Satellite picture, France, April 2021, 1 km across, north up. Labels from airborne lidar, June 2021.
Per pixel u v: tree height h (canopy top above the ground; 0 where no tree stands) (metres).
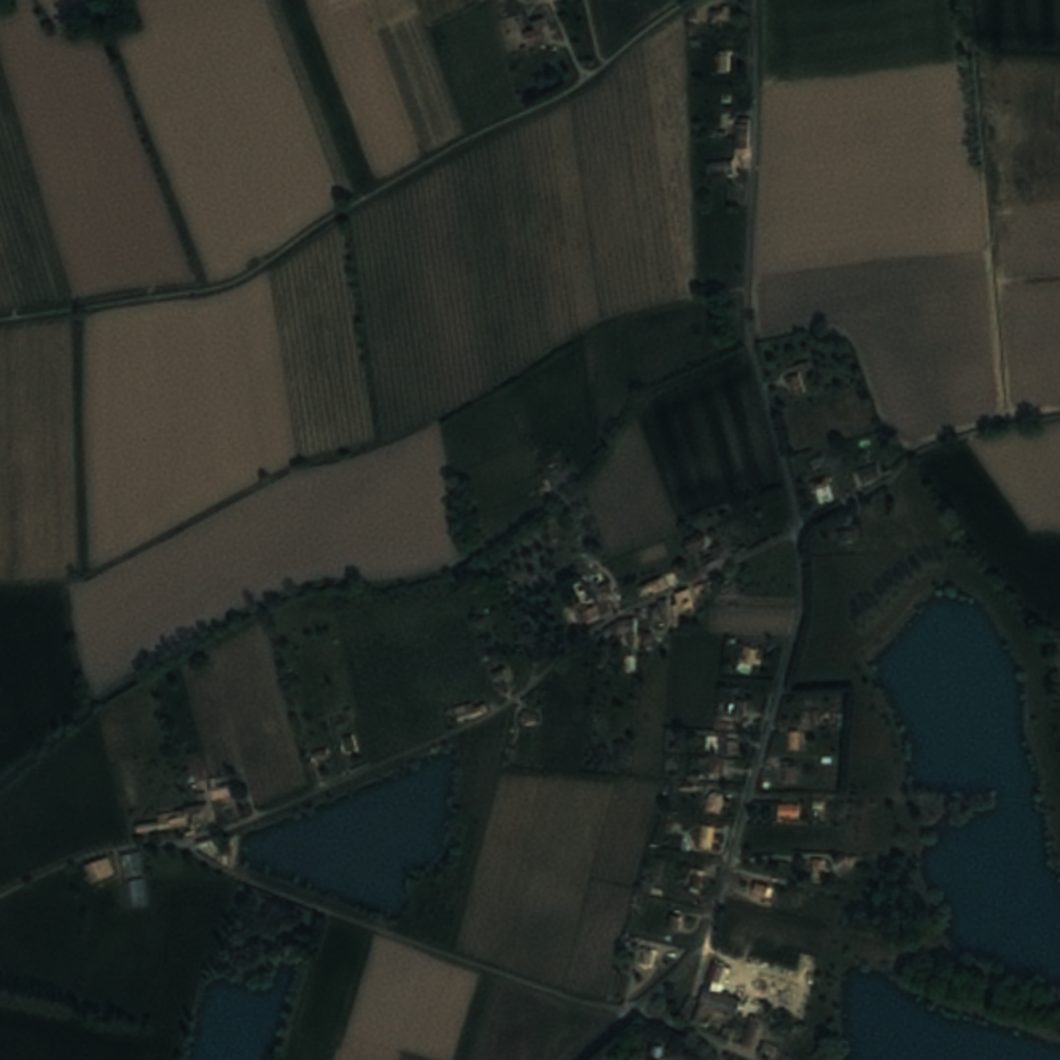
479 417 0
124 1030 15
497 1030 0
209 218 0
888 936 19
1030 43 0
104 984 0
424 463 0
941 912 11
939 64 0
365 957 0
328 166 0
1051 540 0
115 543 0
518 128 0
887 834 0
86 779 0
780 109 0
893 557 0
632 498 0
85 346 0
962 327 0
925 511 0
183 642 17
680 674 0
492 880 0
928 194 0
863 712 0
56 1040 0
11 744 0
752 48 0
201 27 0
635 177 0
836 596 0
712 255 0
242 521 0
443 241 0
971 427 0
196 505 0
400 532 0
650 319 0
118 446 0
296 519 0
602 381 0
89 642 0
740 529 9
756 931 0
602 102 0
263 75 0
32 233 0
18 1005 28
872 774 0
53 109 0
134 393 0
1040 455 0
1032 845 0
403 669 10
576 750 0
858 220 0
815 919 0
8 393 0
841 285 0
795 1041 0
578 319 0
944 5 0
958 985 23
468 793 0
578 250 0
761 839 0
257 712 0
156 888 0
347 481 0
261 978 14
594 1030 0
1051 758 0
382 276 0
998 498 0
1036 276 0
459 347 0
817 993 8
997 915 0
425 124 0
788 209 0
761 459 0
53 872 0
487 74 0
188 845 0
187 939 0
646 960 0
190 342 0
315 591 10
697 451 0
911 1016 0
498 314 0
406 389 0
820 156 0
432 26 0
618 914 0
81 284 0
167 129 0
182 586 0
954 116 0
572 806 0
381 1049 0
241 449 0
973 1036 0
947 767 0
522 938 0
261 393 0
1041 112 0
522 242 0
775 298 0
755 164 0
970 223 0
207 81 0
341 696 0
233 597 0
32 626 0
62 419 0
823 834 0
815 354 7
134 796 0
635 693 10
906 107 0
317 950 10
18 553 0
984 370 0
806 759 0
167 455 0
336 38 0
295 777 0
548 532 8
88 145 0
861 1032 0
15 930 0
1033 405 0
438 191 0
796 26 0
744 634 0
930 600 0
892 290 0
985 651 0
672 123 0
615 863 0
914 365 0
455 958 0
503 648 7
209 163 0
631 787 0
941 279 0
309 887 7
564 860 0
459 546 21
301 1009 0
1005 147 0
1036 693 0
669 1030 9
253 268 0
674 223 0
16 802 0
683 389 0
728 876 7
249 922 16
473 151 0
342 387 0
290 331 0
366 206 0
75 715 0
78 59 0
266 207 0
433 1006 0
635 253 0
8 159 0
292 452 0
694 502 0
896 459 11
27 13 0
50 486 0
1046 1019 20
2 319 0
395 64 0
